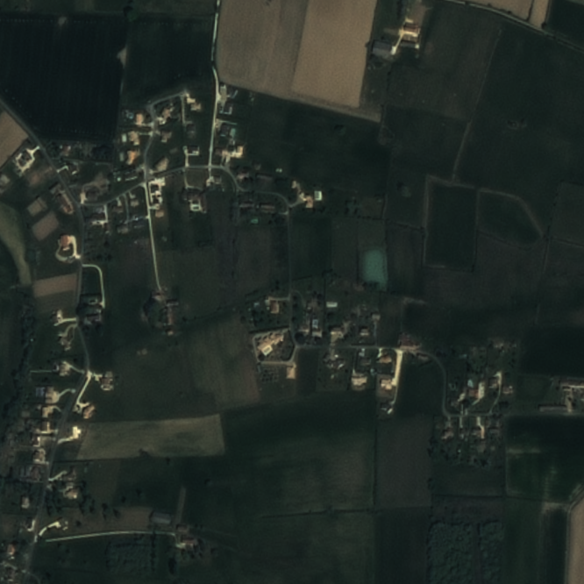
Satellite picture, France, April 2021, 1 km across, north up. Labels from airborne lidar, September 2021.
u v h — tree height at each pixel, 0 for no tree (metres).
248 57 0
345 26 0
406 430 0
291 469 0
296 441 0
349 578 0
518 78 0
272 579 0
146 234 0
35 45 0
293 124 0
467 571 5
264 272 0
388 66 0
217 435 0
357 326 8
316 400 0
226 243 0
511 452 0
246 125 0
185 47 0
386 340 0
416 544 0
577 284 0
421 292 0
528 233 0
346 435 0
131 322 0
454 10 0
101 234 0
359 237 0
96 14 0
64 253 0
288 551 0
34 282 0
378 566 0
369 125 0
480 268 0
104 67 0
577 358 0
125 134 0
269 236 0
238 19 0
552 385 0
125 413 0
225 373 0
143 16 0
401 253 0
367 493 0
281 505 0
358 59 0
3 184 0
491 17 0
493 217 0
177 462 0
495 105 0
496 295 0
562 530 0
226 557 0
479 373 9
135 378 0
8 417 15
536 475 0
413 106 0
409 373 0
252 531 0
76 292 0
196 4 0
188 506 0
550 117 0
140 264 0
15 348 0
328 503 0
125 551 12
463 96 0
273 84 0
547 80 0
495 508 0
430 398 0
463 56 0
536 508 0
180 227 0
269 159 0
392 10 0
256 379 0
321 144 0
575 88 0
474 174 0
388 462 0
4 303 0
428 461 0
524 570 0
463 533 12
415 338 0
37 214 0
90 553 0
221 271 0
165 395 0
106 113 0
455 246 0
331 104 0
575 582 0
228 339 0
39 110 0
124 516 0
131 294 0
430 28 0
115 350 0
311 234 0
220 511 0
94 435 0
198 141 0
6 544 6
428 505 0
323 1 0
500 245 0
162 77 0
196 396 0
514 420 0
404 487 0
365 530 0
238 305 0
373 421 0
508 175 0
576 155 0
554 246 0
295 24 0
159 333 0
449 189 0
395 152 0
